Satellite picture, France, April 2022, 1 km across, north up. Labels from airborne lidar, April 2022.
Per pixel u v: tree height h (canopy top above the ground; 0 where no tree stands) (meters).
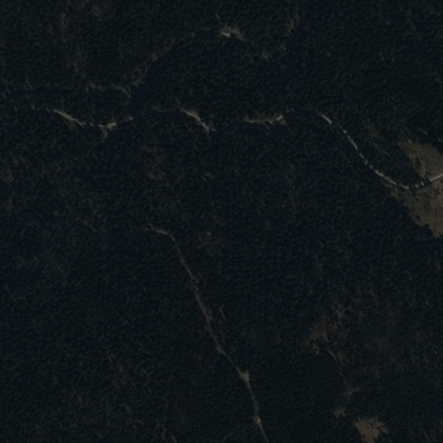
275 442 17
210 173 23
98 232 24
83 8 29
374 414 21
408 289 29
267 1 20
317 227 10
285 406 23
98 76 29
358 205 36
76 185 35
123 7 20
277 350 9
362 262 19
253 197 31
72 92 32
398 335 14
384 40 24
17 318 21
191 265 20
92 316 12
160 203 37
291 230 29
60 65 28
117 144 37
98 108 28
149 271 16
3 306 17
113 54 24
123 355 33
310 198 35
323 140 34
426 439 17
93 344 12
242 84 25
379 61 13
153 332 24
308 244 32
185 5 32
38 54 29
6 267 20
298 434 19
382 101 27
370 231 39
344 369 13
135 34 30
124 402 21
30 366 15
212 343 26
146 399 28
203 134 31
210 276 18
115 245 31
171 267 19
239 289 27
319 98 34
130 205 25
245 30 30
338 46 31
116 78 25
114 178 30
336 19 28
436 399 22
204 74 19
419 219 11
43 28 32
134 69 37
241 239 27
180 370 23
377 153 34
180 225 12
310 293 25
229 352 27
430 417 23
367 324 19
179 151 29
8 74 31
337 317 16
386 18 17
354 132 30
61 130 33
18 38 26
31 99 30
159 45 30
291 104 18
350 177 33
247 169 32
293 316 26
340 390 16
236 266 20
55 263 22
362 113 29
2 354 6
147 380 24
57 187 27
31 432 22
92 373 29
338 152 34
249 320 18
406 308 15
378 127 18
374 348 14
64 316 20
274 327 28
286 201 29
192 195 31
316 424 21
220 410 21
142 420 18
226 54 31
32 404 19
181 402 20
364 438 9
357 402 17
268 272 21
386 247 30
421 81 19
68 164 30
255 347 14
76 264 10
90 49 25
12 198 30
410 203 0
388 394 18
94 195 26
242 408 24
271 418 24
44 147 38
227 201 28
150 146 28
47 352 28
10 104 0
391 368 15
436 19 25
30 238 17
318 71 22
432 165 0
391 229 37
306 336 27
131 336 16
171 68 23
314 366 14
